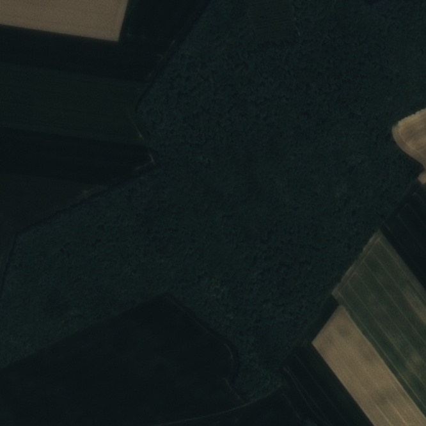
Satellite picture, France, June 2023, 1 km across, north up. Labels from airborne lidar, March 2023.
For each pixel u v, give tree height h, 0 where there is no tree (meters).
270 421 0
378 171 22
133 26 0
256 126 24
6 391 0
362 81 24
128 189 17
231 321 25
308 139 24
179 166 22
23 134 0
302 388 0
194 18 0
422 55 24
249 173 22
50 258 22
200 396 0
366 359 0
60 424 0
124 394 0
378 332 0
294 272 20
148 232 22
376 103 20
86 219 20
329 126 23
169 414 0
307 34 25
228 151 26
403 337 0
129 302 22
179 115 25
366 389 0
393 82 21
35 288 20
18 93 0
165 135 17
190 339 0
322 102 23
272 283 20
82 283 21
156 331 0
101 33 0
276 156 19
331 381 0
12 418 0
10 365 0
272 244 20
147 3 0
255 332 22
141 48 0
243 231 17
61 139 0
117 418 0
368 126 15
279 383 12
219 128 22
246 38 25
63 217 20
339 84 25
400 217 0
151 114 23
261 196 19
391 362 0
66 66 0
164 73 16
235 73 22
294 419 0
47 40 0
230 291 20
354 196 13
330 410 0
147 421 0
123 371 0
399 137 0
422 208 0
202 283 25
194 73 21
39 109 0
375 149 21
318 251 17
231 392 0
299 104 19
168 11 0
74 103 0
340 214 21
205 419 0
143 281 20
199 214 21
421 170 6
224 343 0
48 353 0
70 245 21
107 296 23
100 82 0
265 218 17
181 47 14
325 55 22
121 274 17
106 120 0
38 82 0
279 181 17
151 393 0
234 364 0
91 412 0
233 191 19
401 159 17
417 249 0
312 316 19
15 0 0
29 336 18
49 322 17
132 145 0
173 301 0
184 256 17
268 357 22
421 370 0
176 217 22
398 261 0
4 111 0
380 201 13
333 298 0
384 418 0
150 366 0
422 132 0
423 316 0
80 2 0
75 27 0
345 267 15
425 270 0
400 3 21
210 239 20
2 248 0
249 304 20
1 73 0
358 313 0
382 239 0
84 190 0
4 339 16
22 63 0
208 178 21
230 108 22
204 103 18
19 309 18
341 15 26
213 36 20
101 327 0
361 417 0
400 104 20
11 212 0
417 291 0
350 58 25
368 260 0
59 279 26
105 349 0
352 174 20
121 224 19
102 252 18
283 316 18
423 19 24
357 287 0
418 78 22
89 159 0
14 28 0
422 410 0
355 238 18
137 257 16
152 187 21
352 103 22
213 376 0
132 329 0
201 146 24
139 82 0
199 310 17
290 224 18
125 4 0
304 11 26
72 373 0
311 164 22
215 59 25
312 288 18
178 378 0
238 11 26
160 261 13
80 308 16
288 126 24
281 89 24
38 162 0
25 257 21
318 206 21
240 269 22
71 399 0
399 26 24
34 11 0
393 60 24
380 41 25
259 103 23
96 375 0
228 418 0
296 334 18
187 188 23
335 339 0
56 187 0
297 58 24
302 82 23
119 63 0
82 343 0
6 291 16
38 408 0
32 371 0
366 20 26
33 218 0
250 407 0
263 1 0
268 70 27
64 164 0
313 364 0
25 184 0
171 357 0
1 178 0
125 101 0
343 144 20
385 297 0
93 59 0
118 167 0
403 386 0
